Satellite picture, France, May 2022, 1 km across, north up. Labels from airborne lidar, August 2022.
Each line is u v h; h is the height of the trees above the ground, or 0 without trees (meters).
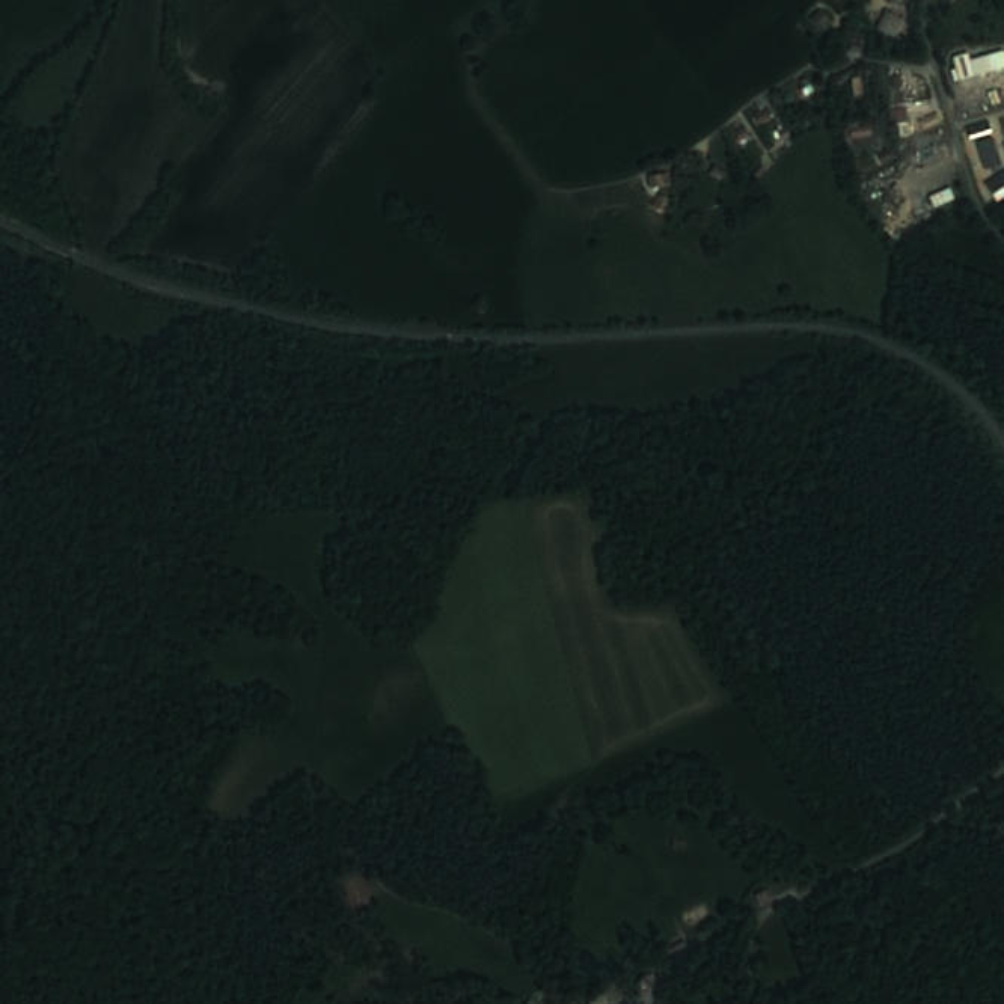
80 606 22
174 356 24
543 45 0
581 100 0
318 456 14
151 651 26
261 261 16
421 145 0
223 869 20
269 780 0
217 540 24
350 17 0
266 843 20
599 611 0
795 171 0
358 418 17
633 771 0
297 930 17
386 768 0
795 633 23
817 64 11
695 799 17
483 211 0
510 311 0
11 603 21
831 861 0
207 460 19
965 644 18
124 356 23
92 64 10
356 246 0
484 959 0
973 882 21
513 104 0
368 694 0
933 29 16
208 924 22
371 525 21
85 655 18
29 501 21
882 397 10
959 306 22
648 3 0
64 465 23
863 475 21
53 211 16
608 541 14
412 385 18
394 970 18
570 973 22
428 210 0
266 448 23
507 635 0
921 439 17
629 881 0
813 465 19
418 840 20
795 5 0
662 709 0
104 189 0
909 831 9
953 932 21
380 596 20
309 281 0
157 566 26
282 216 0
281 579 0
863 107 8
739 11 0
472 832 19
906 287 21
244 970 16
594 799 22
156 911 21
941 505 21
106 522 28
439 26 0
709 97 0
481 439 11
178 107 0
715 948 18
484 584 0
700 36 0
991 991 17
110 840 27
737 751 0
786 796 0
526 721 0
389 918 0
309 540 0
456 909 9
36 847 19
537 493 13
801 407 20
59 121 10
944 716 22
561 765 0
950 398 9
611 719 0
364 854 20
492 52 0
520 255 0
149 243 0
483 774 24
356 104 0
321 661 0
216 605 26
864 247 0
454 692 0
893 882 24
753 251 0
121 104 0
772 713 14
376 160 0
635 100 0
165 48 12
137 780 18
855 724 24
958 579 21
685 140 0
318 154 0
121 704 23
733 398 19
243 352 21
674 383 0
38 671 22
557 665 0
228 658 0
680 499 22
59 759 22
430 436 15
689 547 14
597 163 0
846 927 25
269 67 0
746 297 0
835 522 20
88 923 17
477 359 9
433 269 0
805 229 0
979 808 19
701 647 10
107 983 15
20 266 18
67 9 0
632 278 0
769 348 0
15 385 25
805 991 22
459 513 20
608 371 0
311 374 17
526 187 0
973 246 0
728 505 16
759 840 18
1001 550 21
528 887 15
